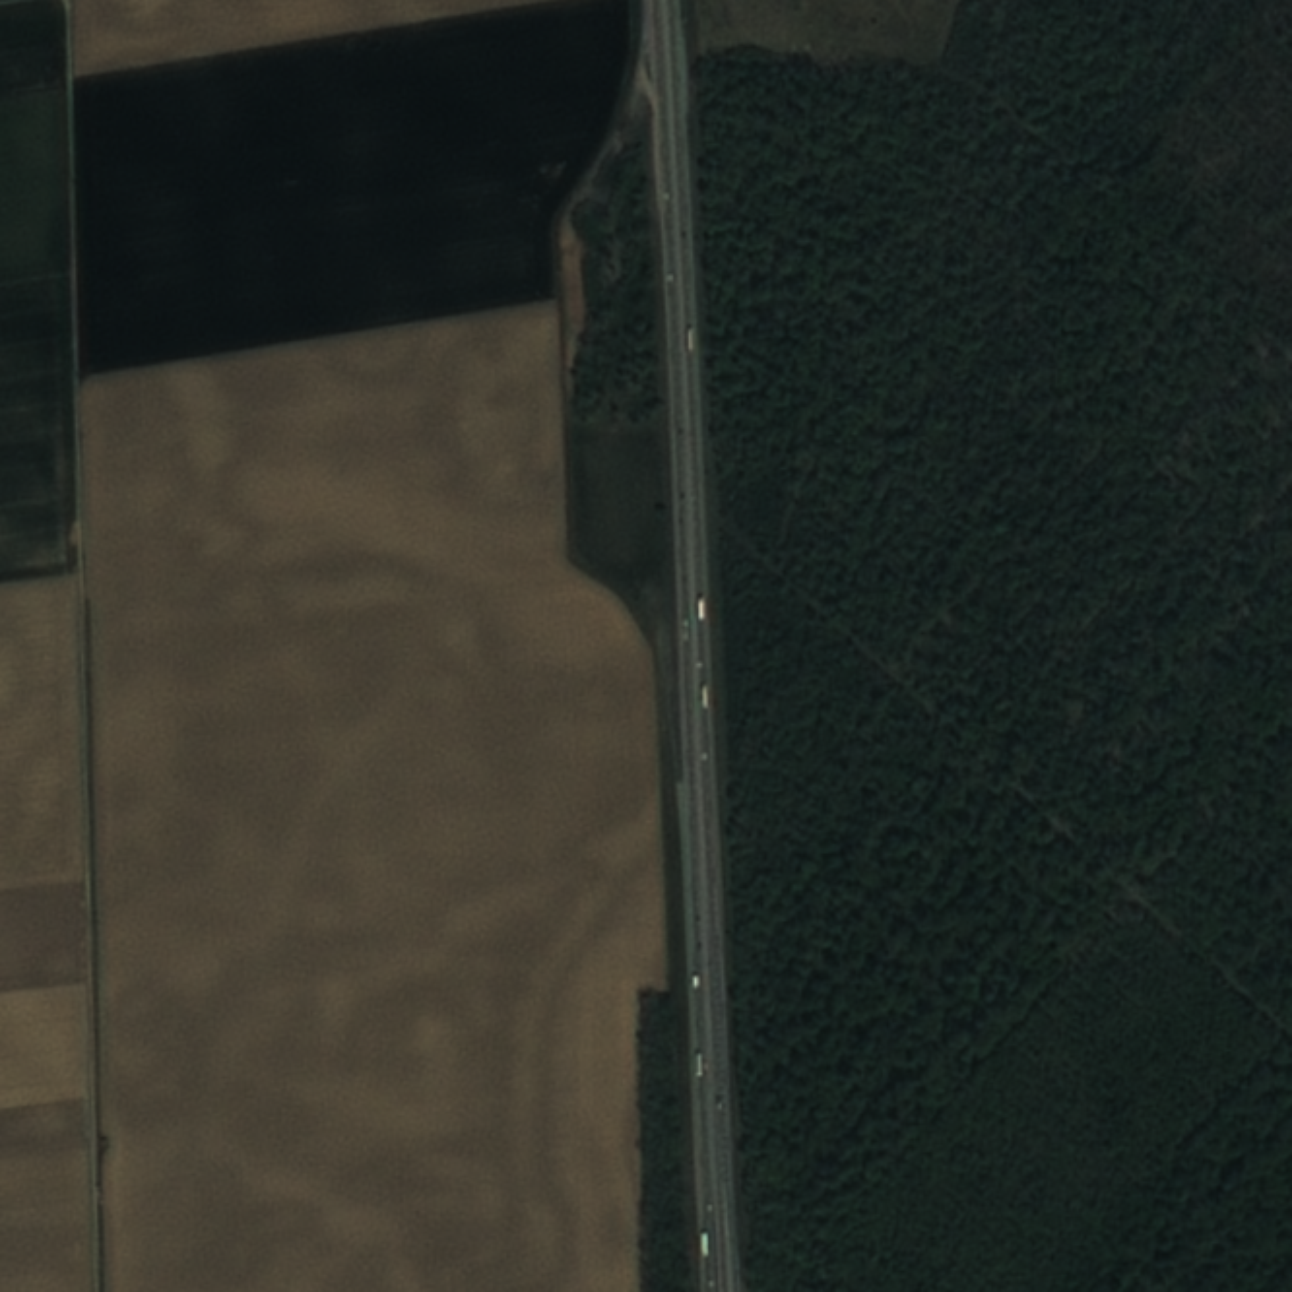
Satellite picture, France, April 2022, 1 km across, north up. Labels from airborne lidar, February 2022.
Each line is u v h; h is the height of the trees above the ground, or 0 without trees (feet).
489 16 0
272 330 0
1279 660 57
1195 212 20
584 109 0
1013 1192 38
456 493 0
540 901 0
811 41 0
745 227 34
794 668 21
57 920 0
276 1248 0
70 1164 0
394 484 0
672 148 0
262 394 0
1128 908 33
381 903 0
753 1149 33
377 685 0
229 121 0
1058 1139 41
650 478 0
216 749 0
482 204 0
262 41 0
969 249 39
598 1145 0
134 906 0
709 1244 0
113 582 0
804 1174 47
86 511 0
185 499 0
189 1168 0
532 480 0
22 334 0
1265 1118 69
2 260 0
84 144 0
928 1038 44
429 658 0
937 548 53
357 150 0
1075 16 30
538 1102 0
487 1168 0
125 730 0
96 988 0
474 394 0
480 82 0
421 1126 0
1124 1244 44
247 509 0
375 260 0
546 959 0
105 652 0
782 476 22
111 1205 0
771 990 62
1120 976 42
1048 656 49
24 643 0
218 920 0
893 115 39
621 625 0
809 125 59
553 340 0
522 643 0
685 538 0
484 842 0
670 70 0
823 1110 48
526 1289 0
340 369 0
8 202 0
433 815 0
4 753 0
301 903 0
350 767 0
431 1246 0
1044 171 53
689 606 0
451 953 0
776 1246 30
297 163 0
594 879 0
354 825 0
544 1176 0
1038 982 70
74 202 0
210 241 0
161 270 0
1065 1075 37
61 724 0
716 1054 0
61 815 0
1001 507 35
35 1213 0
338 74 0
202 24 0
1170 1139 39
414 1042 0
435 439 0
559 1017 0
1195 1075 47
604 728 0
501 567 0
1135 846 52
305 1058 0
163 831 0
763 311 39
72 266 0
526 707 0
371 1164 0
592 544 0
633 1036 0
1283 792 72
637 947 0
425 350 0
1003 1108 31
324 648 0
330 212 0
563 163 0
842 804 48
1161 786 61
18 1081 0
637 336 35
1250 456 48
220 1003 0
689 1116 0
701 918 0
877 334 46
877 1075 60
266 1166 0
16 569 0
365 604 0
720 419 34
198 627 0
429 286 0
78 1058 0
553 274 0
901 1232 37
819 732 21
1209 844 49
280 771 0
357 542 0
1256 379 55
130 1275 0
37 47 0
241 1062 0
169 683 0
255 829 0
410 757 0
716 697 0
